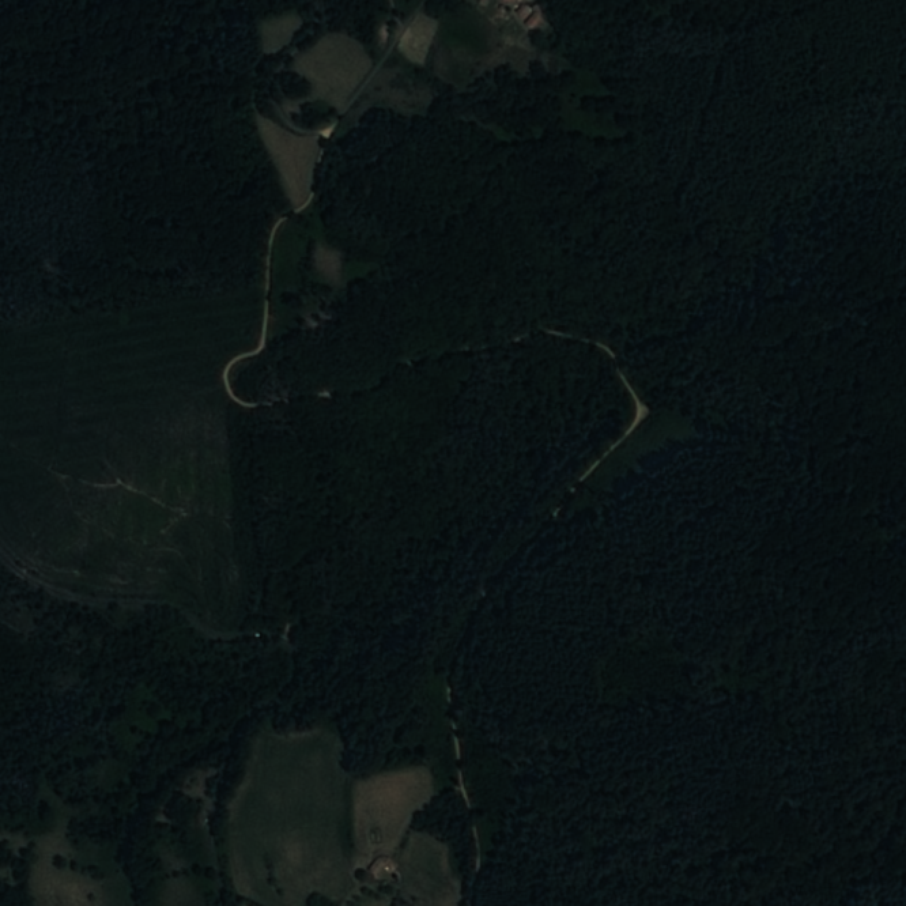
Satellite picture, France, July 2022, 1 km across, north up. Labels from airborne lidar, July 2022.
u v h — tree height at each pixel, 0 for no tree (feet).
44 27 69
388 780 0
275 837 0
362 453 65
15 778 94
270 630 42
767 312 103
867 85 49
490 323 76
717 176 94
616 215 84
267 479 51
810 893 77
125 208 87
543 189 83
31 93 84
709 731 86
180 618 60
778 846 77
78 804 51
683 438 0
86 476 0
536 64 48
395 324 63
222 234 109
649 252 75
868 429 98
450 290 81
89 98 90
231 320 0
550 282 74
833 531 109
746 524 94
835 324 84
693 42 86
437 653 28
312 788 0
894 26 37
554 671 89
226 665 46
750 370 74
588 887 48
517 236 79
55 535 0
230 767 65
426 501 101
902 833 72
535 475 20
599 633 67
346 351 79
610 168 76
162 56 90
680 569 82
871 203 67
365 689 80
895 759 90
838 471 107
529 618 82
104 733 41
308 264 30
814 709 58
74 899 0
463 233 91
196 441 0
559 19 67
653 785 79
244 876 0
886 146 45
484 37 0
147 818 54
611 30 55
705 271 32
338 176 30
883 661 89
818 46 55
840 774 85
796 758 96
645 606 78
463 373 85
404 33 0
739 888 81
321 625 48
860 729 61
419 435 84
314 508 73
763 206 72
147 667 34
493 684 76
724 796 109
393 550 81
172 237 101
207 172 92
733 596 82
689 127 99
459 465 85
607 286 86
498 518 27
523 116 56
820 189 63
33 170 83
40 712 52
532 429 70
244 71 84
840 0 59
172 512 0
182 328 0
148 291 23
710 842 80
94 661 24
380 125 73
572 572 87
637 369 53
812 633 66
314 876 0
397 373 100
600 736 77
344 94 0
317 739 0
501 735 100
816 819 62
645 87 78
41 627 45
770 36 107
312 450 81
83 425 0
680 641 86
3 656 29
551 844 77
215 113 73
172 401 0
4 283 100
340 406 62
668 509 78
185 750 32
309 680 73
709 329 87
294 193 0
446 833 33
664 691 19
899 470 111
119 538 0
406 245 76
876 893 88
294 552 76
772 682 23
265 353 20
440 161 75
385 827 0
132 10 88
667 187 76
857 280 102
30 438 0
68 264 95
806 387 79
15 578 46
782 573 92
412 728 68
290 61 47
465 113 48
